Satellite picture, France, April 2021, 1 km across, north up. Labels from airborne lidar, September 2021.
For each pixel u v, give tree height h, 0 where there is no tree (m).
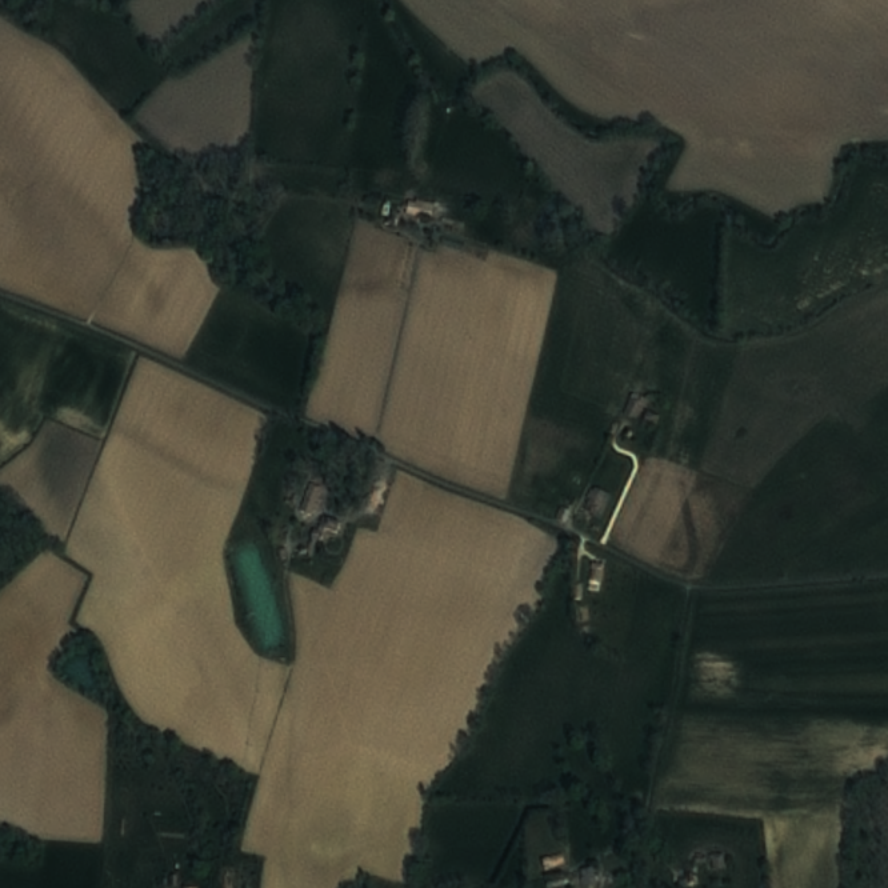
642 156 0
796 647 0
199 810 10
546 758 0
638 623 0
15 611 0
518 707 0
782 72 0
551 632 0
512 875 0
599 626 0
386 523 0
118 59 0
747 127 0
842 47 0
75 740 0
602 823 16
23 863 18
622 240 0
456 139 0
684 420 0
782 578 11
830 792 0
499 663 13
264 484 0
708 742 0
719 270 13
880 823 21
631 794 0
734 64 0
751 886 0
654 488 0
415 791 0
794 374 0
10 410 0
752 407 0
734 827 0
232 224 18
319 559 12
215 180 24
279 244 0
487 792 0
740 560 0
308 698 0
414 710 0
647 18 0
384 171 0
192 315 0
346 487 9
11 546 25
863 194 0
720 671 0
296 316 21
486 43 0
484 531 0
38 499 0
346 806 0
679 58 0
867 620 0
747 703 0
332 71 0
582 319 0
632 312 0
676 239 0
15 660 0
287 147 0
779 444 0
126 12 22
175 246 16
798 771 0
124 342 0
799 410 0
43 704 0
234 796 9
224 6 11
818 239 0
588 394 0
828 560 0
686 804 0
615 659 17
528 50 0
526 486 0
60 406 0
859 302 0
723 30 0
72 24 0
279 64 0
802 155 0
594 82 0
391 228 6
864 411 0
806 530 0
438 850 0
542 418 0
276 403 0
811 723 0
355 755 0
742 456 0
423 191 0
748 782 0
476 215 19
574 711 0
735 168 0
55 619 0
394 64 0
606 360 0
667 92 0
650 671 0
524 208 0
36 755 0
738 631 0
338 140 0
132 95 0
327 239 0
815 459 0
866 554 0
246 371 0
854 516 0
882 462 0
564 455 0
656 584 0
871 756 0
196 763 6
